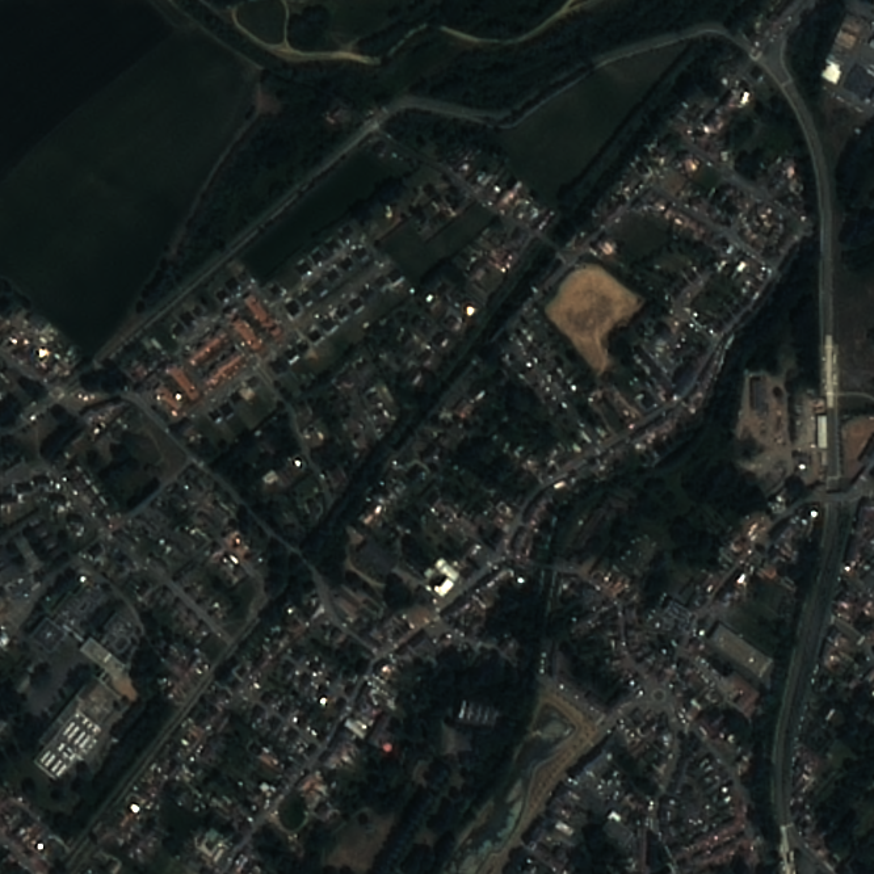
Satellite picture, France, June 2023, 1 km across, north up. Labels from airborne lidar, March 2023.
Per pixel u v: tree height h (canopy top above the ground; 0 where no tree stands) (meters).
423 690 7
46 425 0
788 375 0
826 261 0
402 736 6
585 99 0
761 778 18
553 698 0
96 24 0
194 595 0
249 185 6
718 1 7
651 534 0
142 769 0
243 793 6
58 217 0
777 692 10
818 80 15
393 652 0
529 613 8
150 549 0
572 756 0
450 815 21
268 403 0
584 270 0
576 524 0
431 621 0
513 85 7
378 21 0
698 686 0
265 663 0
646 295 8
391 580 15
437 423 13
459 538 0
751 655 0
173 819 0
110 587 11
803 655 0
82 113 0
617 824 0
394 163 0
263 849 7
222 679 15
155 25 0
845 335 0
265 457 9
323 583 0
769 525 0
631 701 0
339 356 0
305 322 0
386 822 0
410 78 0
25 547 0
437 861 15
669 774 0
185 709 0
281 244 0
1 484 0
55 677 0
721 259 0
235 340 0
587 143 0
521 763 0
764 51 0
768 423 0
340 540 17
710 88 13
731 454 0
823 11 18
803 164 9
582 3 0
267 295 0
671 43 0
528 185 0
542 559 11
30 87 0
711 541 10
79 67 0
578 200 11
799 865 0
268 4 0
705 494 15
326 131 7
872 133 15
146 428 0
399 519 7
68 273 0
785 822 0
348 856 0
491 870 0
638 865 0
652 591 8
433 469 11
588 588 0
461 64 10
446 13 11
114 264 0
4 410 15
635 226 0
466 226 0
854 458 0
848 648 0
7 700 16
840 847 11
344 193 0
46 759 0
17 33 0
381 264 0
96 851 0
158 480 11
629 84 0
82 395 0
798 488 15
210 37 0
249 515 15
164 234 0
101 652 0
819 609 0
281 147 14
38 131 0
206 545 0
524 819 0
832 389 0
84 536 0
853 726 16
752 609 0
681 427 7
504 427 11
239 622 0
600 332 0
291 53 0
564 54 10
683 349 6
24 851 0
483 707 0
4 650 0
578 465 0
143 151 0
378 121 0
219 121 0
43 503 0
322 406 6
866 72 0
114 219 0
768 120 10
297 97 11
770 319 8
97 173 0
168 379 0
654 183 0
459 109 0
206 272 0
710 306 0
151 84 0
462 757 14
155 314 0
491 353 20
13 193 0
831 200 0
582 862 15
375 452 14
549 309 0
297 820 0
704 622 7
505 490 7
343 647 6
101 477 12
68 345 0
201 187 0
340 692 0
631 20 10
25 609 0
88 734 0
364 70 7
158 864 8
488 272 6
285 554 11
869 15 0
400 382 14
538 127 0
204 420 0
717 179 0
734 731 20
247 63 0
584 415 7
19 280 0
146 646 9
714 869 7
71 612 0
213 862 0
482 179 0
